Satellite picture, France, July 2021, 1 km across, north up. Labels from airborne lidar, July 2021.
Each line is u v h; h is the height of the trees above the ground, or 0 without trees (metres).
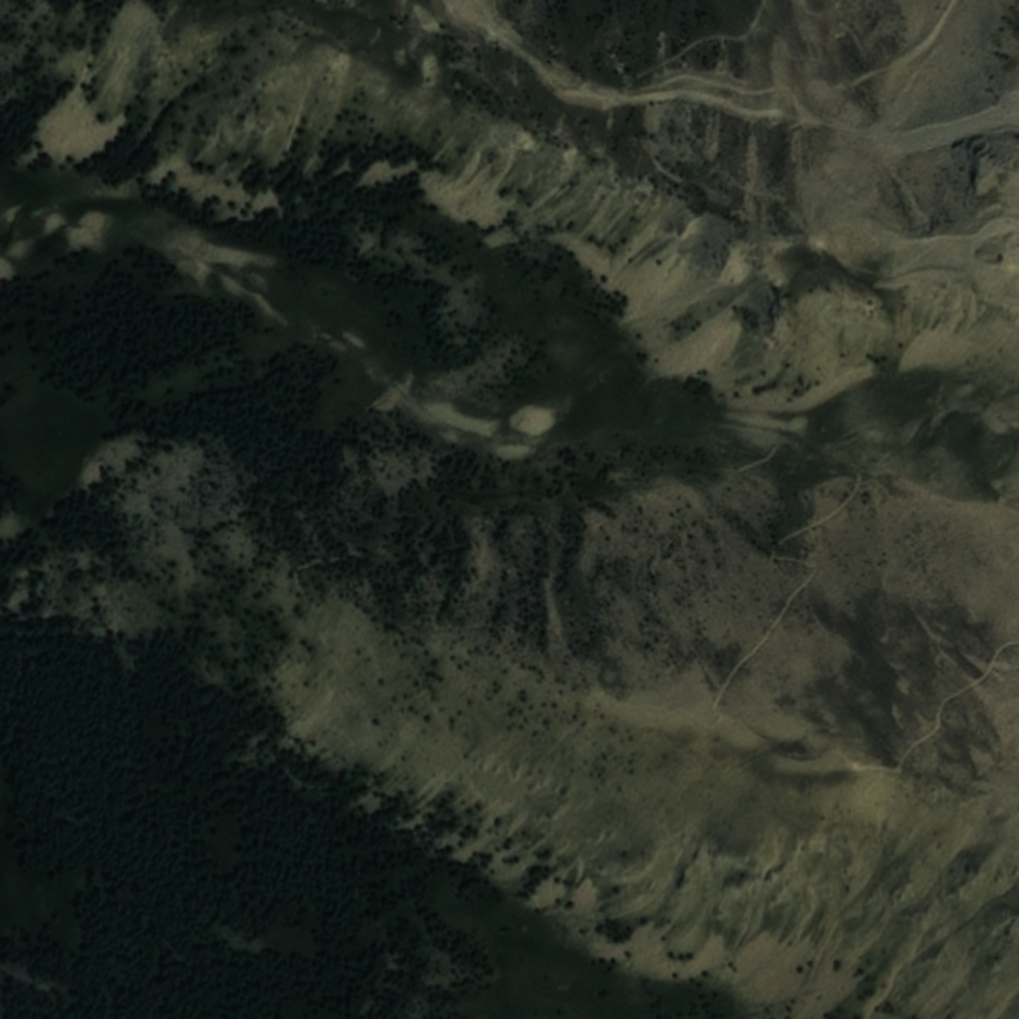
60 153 0
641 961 0
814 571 0
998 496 0
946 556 0
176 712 13
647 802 0
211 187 0
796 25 0
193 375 0
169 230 0
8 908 0
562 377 0
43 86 8
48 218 0
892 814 0
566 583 7
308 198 11
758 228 0
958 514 0
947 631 0
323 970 12
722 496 0
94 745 14
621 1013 0
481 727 0
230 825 0
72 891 0
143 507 0
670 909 0
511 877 0
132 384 7
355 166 13
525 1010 0
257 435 8
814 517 0
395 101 0
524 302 0
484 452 0
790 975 0
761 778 0
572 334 0
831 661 0
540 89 0
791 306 0
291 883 11
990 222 0
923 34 0
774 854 0
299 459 10
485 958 7
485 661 0
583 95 0
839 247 0
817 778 0
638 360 8
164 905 14
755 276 0
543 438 0
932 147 0
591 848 0
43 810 13
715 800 0
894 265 0
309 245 10
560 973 0
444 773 0
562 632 0
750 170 0
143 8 0
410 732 0
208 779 8
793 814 0
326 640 0
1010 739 0
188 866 12
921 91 0
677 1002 0
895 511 0
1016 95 0
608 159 0
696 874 0
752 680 0
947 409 0
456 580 8
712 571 0
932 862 0
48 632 15
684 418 0
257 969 12
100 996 13
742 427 0
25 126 7
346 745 0
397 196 11
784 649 0
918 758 0
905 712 0
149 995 14
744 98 0
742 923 0
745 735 0
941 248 0
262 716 7
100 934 13
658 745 0
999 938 0
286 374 10
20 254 0
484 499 0
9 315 10
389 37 0
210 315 7
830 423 0
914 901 0
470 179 0
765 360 0
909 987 0
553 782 0
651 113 0
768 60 0
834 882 0
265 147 0
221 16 0
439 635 0
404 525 8
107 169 13
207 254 0
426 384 0
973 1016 0
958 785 0
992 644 0
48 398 0
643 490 0
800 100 0
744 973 0
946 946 0
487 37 0
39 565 10
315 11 0
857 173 0
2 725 11
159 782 12
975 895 0
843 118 0
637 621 0
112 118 0
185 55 0
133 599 0
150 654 11
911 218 0
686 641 0
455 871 8
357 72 0
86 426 0
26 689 16
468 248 0
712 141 0
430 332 6
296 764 10
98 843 17
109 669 12
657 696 0
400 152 10
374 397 0
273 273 0
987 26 0
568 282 0
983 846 0
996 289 0
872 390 0
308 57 0
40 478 0
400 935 9
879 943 0
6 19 7
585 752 0
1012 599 0
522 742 0
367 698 0
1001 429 0
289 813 7
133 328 9
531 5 0
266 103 0
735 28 0
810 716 0
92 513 8
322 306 0
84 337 10
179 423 11
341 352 0
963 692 0
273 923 8
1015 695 0
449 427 0
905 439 0
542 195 0
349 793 10
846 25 0
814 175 0
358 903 9
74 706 14
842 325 0
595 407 0
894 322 0
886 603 0
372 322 0
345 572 9
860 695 0
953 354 0
